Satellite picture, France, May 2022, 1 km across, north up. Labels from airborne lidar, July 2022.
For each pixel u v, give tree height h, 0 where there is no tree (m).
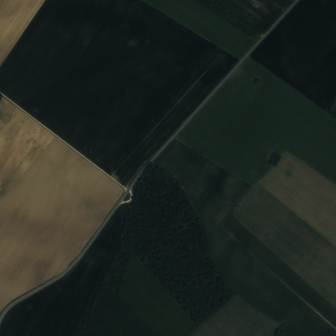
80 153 0
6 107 0
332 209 0
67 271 0
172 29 0
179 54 0
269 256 0
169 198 26
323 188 0
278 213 0
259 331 0
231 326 0
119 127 0
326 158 0
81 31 0
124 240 17
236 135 0
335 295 0
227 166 0
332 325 0
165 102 0
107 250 0
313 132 0
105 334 10
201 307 24
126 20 0
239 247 0
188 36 0
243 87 0
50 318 0
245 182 0
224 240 0
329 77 0
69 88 0
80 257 0
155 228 24
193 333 0
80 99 0
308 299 0
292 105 0
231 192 0
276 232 0
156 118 0
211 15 0
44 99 0
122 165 0
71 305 0
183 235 26
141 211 23
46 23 0
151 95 0
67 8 0
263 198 0
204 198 0
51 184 0
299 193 0
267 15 0
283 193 0
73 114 0
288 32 0
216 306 17
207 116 0
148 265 27
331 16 0
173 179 17
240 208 0
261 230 0
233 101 0
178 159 0
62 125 0
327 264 0
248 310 0
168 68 0
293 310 0
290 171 0
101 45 0
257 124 0
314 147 0
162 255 25
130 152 0
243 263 0
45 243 0
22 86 0
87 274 0
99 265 0
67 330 0
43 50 0
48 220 0
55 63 0
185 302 24
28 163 0
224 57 0
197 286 25
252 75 0
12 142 0
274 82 0
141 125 0
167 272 29
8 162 0
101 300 16
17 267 0
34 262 0
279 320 0
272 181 0
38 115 0
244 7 0
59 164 0
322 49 0
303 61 0
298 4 0
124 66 0
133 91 0
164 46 0
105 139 0
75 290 0
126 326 14
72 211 0
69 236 0
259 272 0
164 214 29
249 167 0
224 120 0
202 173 0
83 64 0
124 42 0
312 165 0
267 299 0
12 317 0
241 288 0
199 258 23
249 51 0
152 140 0
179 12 0
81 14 0
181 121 0
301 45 0
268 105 0
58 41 0
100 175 0
